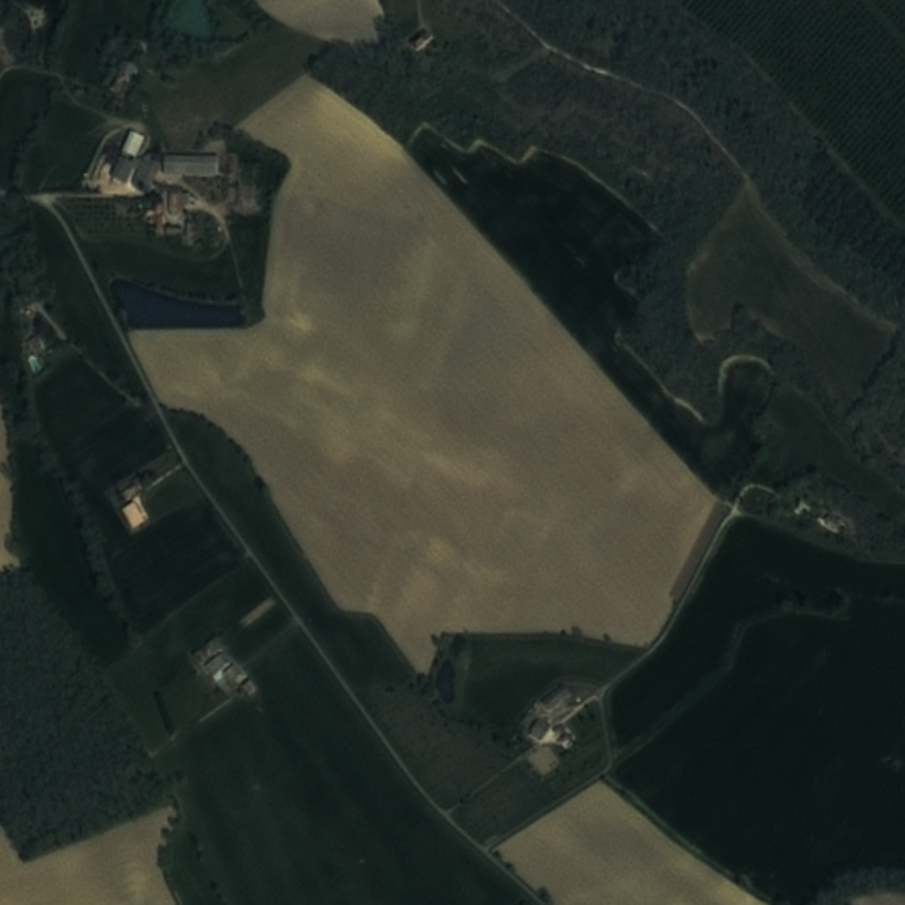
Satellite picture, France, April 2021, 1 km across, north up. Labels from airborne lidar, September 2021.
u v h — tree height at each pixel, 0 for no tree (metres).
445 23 0
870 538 20
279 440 0
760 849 0
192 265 0
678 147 8
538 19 9
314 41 0
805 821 0
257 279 0
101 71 10
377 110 13
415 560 0
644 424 0
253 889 0
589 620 0
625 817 0
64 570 0
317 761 0
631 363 0
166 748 0
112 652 0
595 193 0
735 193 12
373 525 0
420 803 0
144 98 0
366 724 0
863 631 0
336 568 0
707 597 0
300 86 0
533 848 0
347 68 12
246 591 0
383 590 0
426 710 7
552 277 0
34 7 0
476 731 12
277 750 0
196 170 0
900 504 0
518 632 0
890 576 0
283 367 0
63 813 18
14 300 13
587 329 0
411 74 15
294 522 0
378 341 0
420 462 0
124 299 0
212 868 0
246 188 0
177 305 0
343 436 0
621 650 0
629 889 0
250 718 0
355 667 0
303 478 0
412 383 0
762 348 7
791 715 0
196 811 0
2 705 16
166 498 0
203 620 0
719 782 0
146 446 0
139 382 0
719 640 0
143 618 0
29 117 0
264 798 0
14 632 20
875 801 0
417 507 0
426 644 0
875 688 0
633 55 18
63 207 0
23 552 22
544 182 0
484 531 0
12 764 17
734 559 0
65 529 0
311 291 0
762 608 0
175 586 0
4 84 0
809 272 0
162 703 9
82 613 0
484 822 8
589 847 0
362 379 0
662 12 15
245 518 0
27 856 15
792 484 16
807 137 16
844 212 12
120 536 0
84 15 0
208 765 0
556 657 0
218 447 0
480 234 0
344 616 0
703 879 0
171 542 0
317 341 0
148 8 0
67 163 0
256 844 0
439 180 0
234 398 0
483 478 0
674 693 0
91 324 0
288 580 0
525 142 11
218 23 8
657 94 10
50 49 11
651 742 0
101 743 18
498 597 0
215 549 0
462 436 0
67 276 0
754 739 0
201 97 0
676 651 0
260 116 0
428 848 0
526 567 0
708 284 0
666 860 0
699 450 0
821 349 0
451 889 0
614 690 0
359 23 0
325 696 0
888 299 18
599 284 0
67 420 0
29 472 0
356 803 0
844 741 0
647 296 17
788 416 0
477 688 0
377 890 0
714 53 12
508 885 0
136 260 0
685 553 0
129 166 0
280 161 18
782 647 0
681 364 7
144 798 26
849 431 16
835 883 18
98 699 21
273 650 0
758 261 0
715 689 0
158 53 15
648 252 6
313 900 0
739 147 11
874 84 5
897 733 0
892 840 0
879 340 0
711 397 12
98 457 0
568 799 0
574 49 14
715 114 9
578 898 0
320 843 0
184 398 0
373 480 0
